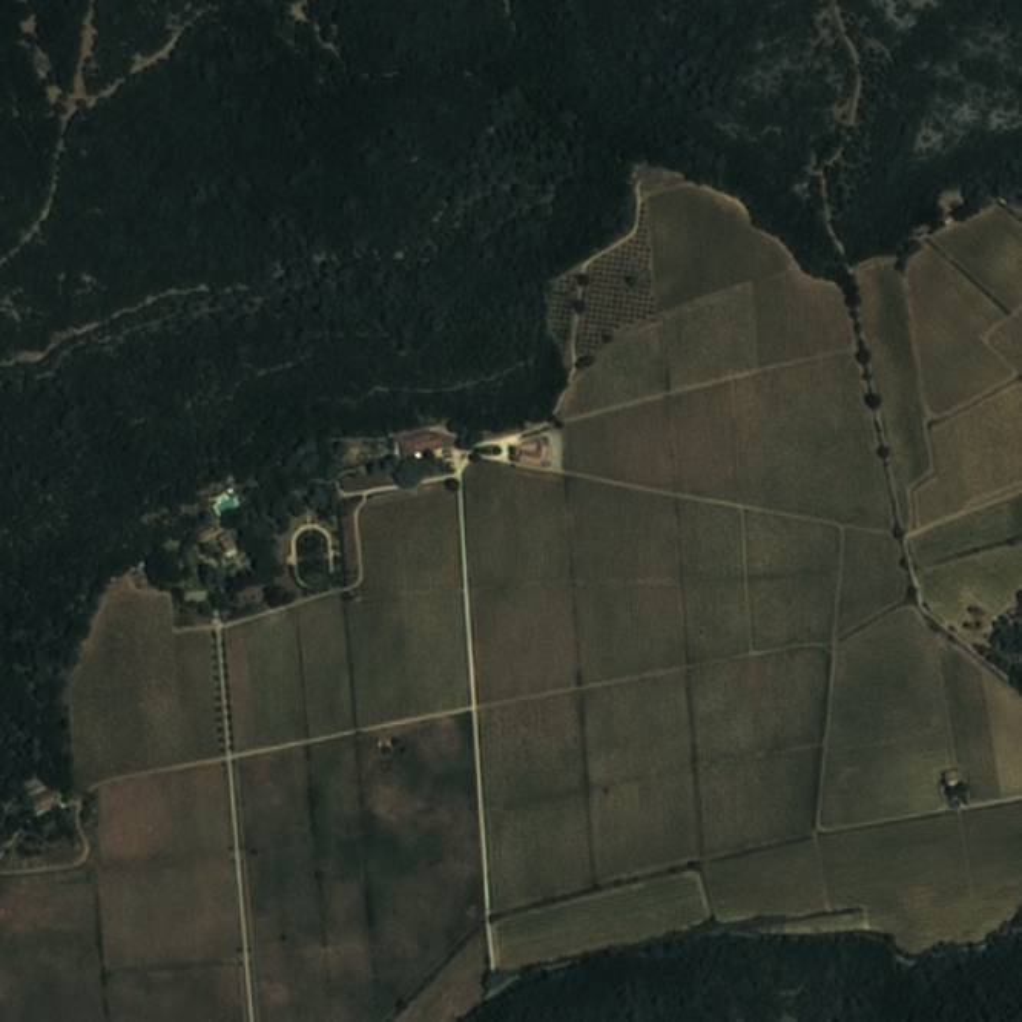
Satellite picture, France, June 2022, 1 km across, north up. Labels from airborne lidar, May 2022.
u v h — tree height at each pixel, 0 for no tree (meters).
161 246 7
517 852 0
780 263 0
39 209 7
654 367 0
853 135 8
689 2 5
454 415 9
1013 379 0
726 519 0
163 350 7
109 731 0
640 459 0
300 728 0
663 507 0
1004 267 0
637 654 0
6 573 7
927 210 15
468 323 9
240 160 14
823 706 0
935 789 0
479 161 20
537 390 9
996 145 7
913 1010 15
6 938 0
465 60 13
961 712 0
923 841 0
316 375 8
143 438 10
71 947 0
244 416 9
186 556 12
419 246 13
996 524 0
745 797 0
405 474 20
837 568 0
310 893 0
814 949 9
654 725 0
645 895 0
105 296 6
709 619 0
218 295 14
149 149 10
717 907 0
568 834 0
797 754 0
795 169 8
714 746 0
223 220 10
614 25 8
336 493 21
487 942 0
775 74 0
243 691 0
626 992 21
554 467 0
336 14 15
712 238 0
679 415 0
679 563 0
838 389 0
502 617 0
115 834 0
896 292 0
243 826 0
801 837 0
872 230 9
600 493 0
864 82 6
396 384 7
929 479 0
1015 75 6
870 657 0
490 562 0
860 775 0
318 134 17
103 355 6
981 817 0
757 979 7
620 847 0
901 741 0
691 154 23
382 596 0
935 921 0
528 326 8
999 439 0
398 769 0
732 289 0
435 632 0
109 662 0
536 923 0
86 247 8
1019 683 9
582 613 0
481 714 0
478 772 0
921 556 0
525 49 15
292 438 13
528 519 0
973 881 0
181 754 0
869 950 10
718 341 0
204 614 11
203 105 9
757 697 0
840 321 0
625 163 9
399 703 0
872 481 0
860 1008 15
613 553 0
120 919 0
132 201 10
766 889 0
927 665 0
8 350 9
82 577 13
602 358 0
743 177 11
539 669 0
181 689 0
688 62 17
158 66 9
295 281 21
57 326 6
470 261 8
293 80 19
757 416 0
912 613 0
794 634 0
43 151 8
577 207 9
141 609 0
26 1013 0
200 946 0
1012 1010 14
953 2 7
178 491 12
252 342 8
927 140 0
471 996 0
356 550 0
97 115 9
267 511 18
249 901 0
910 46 7
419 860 0
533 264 11
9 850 7
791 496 0
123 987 0
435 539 0
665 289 0
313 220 20
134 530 13
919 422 0
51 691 17
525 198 13
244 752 0
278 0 11
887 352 0
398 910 0
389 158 9
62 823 11
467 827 0
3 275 7
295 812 0
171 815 0
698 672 0
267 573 20
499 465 0
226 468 13
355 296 12
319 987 0
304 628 0
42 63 15
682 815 0
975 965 8
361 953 0
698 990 6
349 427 13
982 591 0
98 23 8
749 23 7
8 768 10
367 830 0
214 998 0
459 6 7
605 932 0
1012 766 0
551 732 0
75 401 9
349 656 0
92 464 6
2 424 8
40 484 7
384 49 8
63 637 10
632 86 6
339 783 0
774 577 0
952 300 0
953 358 0
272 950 0
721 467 0
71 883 0
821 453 0
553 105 10
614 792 0
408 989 0
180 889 0
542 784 0
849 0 10
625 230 11
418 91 9
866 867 0
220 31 12
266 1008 0
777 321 0
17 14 15
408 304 14
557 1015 16
